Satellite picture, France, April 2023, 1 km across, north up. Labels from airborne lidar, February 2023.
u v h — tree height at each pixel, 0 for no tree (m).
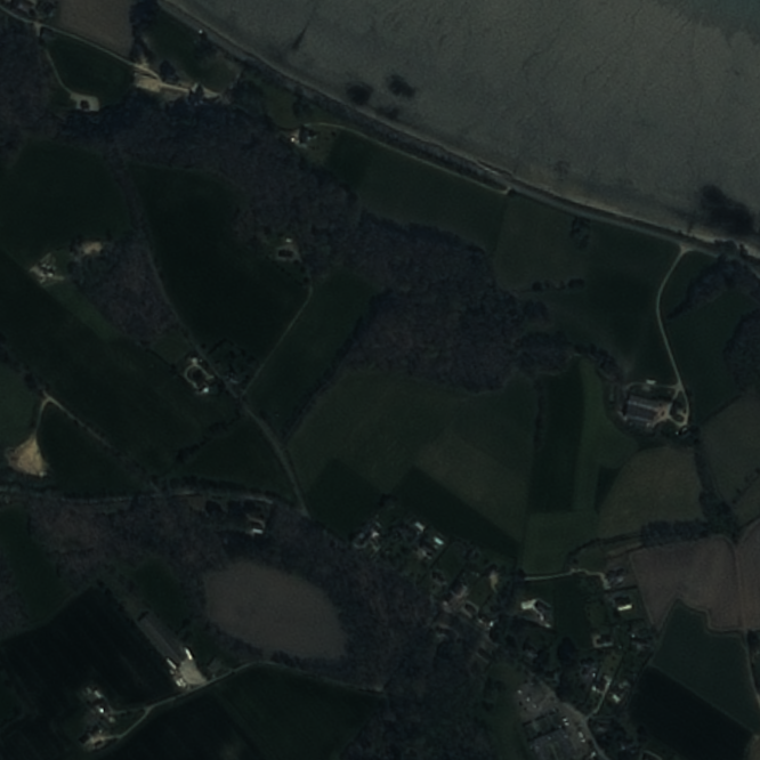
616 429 0
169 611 0
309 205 29
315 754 0
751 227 0
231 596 0
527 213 0
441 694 20
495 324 25
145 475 10
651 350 0
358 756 9
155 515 20
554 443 0
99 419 0
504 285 0
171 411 0
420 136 0
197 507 0
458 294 24
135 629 10
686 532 17
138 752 0
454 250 24
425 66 0
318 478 0
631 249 0
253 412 0
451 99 0
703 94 0
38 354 0
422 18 0
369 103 0
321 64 0
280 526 18
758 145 0
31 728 0
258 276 0
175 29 0
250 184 21
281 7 0
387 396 0
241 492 14
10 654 0
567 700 13
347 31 0
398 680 22
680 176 0
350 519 0
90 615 0
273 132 25
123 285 19
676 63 0
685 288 0
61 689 0
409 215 0
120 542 14
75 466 0
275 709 0
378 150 0
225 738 0
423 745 24
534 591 0
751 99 0
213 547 23
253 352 0
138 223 16
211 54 19
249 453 0
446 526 0
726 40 0
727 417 0
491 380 24
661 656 0
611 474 0
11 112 18
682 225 0
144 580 0
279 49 0
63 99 0
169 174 0
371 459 0
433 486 0
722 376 0
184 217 0
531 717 0
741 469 0
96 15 0
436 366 27
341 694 0
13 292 0
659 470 0
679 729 0
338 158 0
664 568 0
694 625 0
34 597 0
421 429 0
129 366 0
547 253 0
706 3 0
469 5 0
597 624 0
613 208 0
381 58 0
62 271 0
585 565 0
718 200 0
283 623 0
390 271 29
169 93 0
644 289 0
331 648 0
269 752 0
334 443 0
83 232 0
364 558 15
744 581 0
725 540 0
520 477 0
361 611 22
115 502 18
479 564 0
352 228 28
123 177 19
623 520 0
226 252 0
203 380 9
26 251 0
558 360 21
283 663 14
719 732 0
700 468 11
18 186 0
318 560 18
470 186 0
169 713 0
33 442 0
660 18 0
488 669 0
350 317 0
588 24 0
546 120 0
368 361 23
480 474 0
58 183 0
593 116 0
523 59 0
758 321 11
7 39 24
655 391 0
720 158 0
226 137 21
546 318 21
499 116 0
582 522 0
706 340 0
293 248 0
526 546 0
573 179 0
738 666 0
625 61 0
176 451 0
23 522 0
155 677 0
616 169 0
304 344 0
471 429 0
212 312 0
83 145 18
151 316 18
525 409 0
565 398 0
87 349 0
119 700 0
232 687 0
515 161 0
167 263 0
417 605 19
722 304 0
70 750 0
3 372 0
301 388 0
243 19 0
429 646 22
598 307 0
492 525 0
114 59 0
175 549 18
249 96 22
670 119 0
